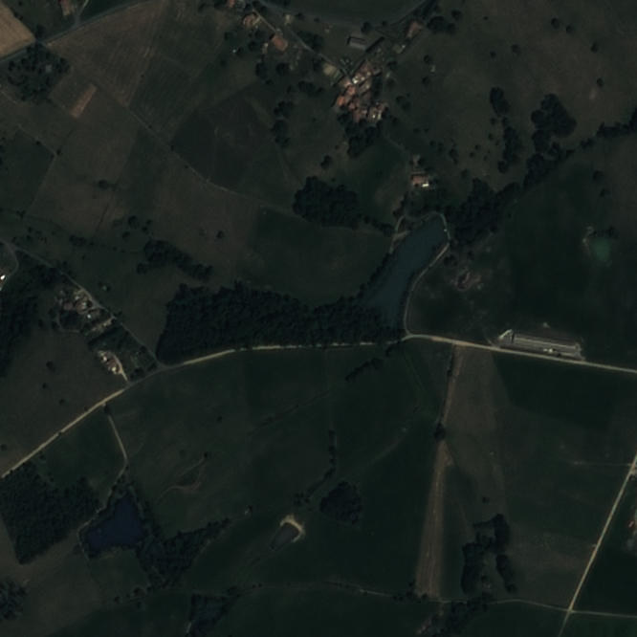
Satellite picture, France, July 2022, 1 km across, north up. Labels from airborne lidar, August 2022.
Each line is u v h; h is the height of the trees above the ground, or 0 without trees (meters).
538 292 0
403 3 0
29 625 0
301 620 0
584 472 0
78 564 0
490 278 0
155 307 0
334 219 19
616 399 0
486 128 0
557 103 15
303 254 0
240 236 0
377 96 12
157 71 0
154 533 7
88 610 0
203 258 0
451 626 8
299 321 20
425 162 15
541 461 0
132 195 0
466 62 0
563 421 0
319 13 0
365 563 0
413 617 0
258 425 0
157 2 0
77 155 0
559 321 0
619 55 0
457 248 19
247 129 0
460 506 0
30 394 0
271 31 0
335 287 0
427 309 0
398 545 0
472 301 0
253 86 0
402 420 0
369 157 0
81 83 0
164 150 0
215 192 0
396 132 0
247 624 0
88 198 0
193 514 0
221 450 0
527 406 0
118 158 0
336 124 0
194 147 0
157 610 0
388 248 0
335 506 20
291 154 0
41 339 0
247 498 0
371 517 0
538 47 0
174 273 0
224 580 0
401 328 7
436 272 0
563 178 0
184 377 0
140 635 0
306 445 0
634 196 0
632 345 0
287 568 0
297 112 0
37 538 9
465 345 0
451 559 0
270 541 0
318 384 0
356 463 0
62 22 0
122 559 0
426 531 0
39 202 0
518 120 0
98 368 0
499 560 13
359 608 0
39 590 0
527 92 0
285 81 0
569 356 0
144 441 0
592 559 0
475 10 0
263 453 0
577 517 0
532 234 0
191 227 0
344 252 0
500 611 0
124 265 0
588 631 0
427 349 0
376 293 0
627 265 0
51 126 0
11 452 0
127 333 10
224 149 0
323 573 0
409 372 0
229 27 0
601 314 0
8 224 0
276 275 0
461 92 0
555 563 0
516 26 0
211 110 0
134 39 0
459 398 0
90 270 0
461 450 0
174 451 0
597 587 0
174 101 0
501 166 17
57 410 0
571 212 0
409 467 0
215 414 0
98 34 0
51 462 0
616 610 0
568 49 0
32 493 8
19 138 0
